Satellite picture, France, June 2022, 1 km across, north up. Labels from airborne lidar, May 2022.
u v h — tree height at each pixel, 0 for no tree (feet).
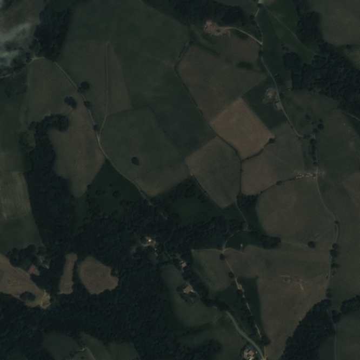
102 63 0
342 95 22
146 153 0
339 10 0
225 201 0
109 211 0
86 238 62
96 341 0
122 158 0
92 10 0
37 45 86
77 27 0
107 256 60
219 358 0
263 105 0
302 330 61
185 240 36
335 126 0
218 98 0
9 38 0
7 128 0
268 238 51
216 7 49
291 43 0
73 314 98
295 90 25
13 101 0
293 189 0
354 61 0
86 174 0
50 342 0
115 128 0
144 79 0
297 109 0
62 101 0
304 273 0
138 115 0
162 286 56
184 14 34
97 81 0
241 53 0
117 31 0
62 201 78
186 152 0
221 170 0
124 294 66
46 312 79
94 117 0
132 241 62
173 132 0
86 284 0
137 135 0
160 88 0
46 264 52
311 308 0
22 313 70
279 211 0
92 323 92
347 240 0
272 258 0
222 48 0
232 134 0
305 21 56
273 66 0
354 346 0
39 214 59
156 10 0
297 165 0
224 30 0
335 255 55
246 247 0
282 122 0
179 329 0
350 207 0
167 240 46
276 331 0
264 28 0
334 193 0
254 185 0
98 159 0
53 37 36
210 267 0
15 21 0
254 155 0
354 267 0
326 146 0
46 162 73
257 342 21
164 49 0
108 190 0
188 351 49
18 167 0
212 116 0
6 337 76
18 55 62
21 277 0
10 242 0
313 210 0
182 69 0
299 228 0
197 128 0
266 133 0
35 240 0
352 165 0
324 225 0
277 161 0
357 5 0
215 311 0
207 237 20
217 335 0
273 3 0
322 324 57
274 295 0
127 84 0
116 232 81
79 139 0
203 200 39
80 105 0
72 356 31
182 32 0
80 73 0
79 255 49
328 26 0
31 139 0
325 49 61
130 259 93
